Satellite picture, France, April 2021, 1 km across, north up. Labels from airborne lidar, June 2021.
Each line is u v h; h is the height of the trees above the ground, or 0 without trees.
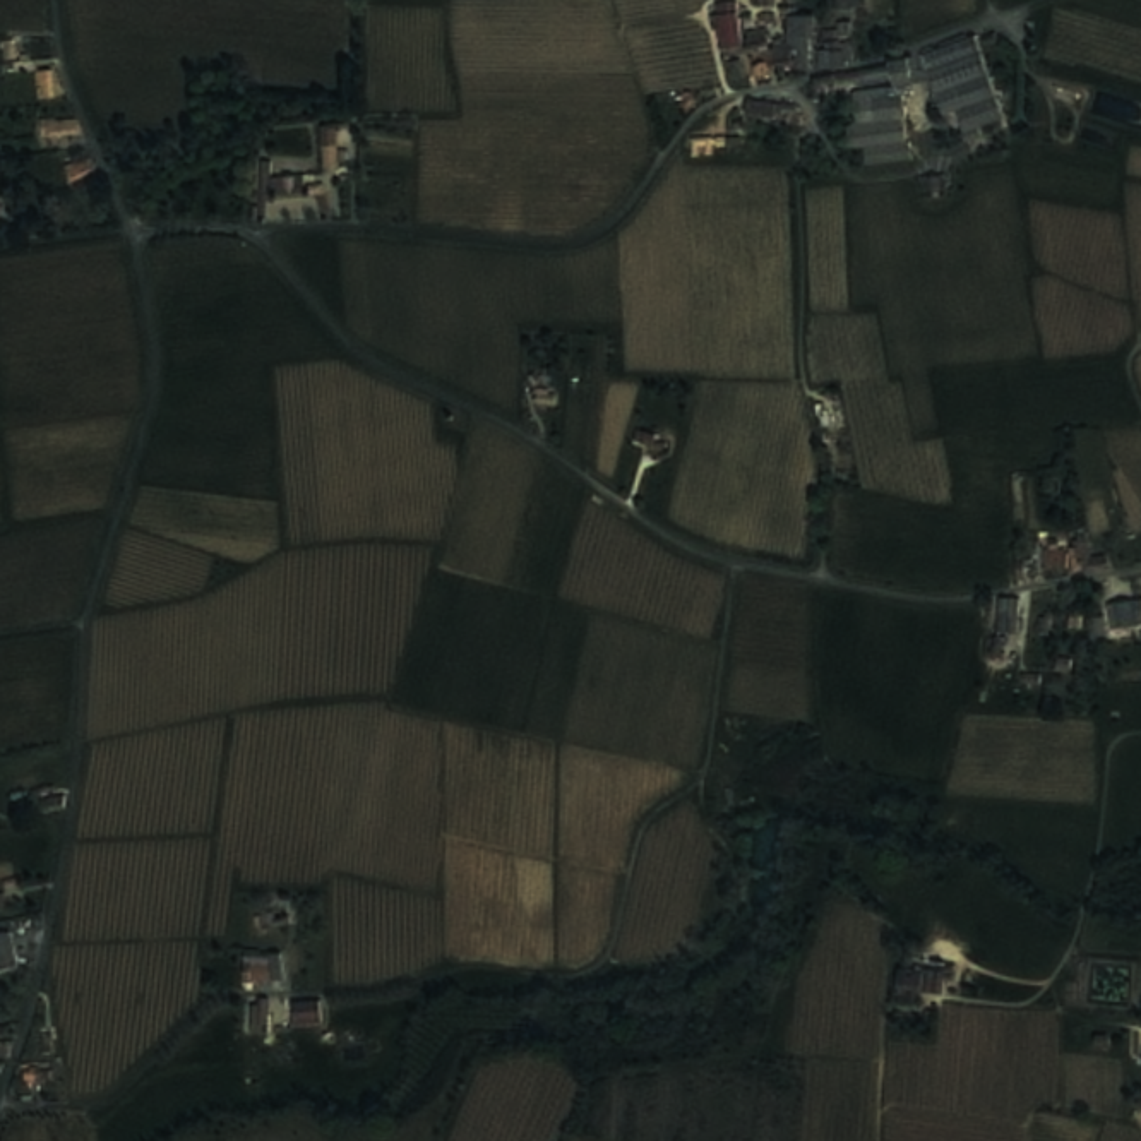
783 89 0
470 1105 0
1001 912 0
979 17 0
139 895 0
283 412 0
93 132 0
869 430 0
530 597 0
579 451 0
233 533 0
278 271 0
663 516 0
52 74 0
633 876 0
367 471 0
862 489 9
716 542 0
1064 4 0
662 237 0
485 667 0
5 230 15
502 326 0
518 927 0
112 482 0
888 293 0
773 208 0
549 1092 0
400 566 0
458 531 0
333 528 0
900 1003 12
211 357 0
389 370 0
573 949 0
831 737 0
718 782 0
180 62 0
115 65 0
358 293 0
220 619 0
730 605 0
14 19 0
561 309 0
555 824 0
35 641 0
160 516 0
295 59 0
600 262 0
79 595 0
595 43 0
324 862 0
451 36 0
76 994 0
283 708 0
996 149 7
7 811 0
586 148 0
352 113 14
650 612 0
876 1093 0
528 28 0
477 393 0
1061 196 0
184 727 0
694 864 0
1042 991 0
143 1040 0
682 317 0
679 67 0
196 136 18
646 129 0
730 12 0
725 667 0
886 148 0
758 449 0
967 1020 0
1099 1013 7
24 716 0
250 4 0
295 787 0
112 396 0
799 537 0
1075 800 0
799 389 0
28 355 0
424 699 0
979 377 0
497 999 18
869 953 0
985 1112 0
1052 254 0
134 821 0
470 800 0
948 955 0
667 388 8
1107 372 0
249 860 0
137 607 0
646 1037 20
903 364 0
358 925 0
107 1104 0
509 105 0
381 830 0
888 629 0
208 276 0
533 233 0
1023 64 12
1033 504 0
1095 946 0
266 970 0
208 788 0
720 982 20
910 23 0
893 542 0
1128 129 0
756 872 10
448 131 0
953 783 0
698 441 0
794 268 0
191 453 0
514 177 0
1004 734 0
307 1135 0
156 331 0
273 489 0
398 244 0
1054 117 0
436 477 0
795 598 0
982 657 0
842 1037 0
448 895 0
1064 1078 0
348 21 0
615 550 0
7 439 0
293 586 0
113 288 0
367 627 0
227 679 0
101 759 0
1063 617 12
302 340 0
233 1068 0
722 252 0
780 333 0
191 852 0
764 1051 0
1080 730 0
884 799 17
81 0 0
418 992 11
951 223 0
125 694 0
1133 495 0
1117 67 0
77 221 14
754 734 0
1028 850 0
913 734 0
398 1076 8
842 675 0
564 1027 15
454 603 0
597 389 0
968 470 0
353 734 0
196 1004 0
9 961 0
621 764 0
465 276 0
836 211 0
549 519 0
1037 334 0
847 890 6
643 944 0
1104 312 0
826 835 18
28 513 0
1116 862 13
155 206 18
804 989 0
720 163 0
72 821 0
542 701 0
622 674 0
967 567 0
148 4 0
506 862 0
